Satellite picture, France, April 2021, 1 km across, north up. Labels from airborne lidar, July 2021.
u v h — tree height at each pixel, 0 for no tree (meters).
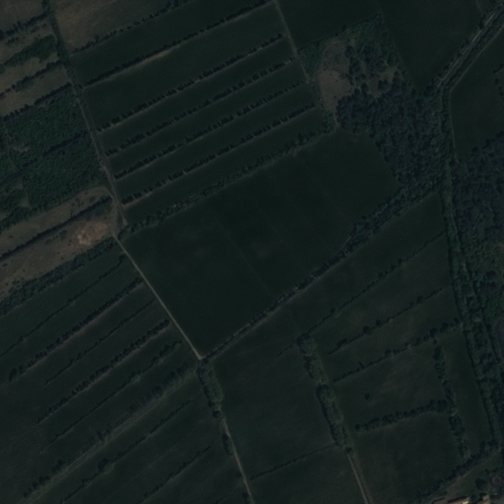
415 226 0
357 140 0
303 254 0
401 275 0
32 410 0
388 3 0
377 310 0
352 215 0
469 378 0
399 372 0
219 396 23
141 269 0
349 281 0
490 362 25
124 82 0
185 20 0
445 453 0
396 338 0
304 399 0
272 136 0
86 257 8
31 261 0
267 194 0
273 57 0
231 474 0
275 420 0
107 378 0
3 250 0
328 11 0
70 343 0
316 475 0
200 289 0
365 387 0
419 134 20
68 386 0
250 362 0
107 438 9
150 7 0
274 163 18
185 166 0
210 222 0
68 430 6
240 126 0
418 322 0
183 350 0
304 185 0
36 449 0
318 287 0
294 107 0
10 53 0
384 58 14
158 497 0
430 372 0
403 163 24
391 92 8
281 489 0
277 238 0
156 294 0
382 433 0
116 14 0
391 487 0
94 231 0
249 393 0
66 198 15
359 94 15
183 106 0
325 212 0
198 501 0
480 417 0
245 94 0
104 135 0
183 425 0
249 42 0
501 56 0
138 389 0
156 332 10
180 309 0
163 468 0
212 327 0
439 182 10
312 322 0
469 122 0
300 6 0
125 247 0
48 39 6
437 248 0
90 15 0
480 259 9
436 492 8
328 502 0
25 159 10
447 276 0
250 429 0
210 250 0
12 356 0
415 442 0
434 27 0
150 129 0
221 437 0
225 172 0
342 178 0
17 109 0
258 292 0
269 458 0
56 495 0
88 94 0
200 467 0
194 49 0
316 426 0
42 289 8
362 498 0
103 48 0
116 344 0
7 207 6
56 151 16
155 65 0
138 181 0
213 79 0
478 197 17
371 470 0
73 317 0
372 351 0
